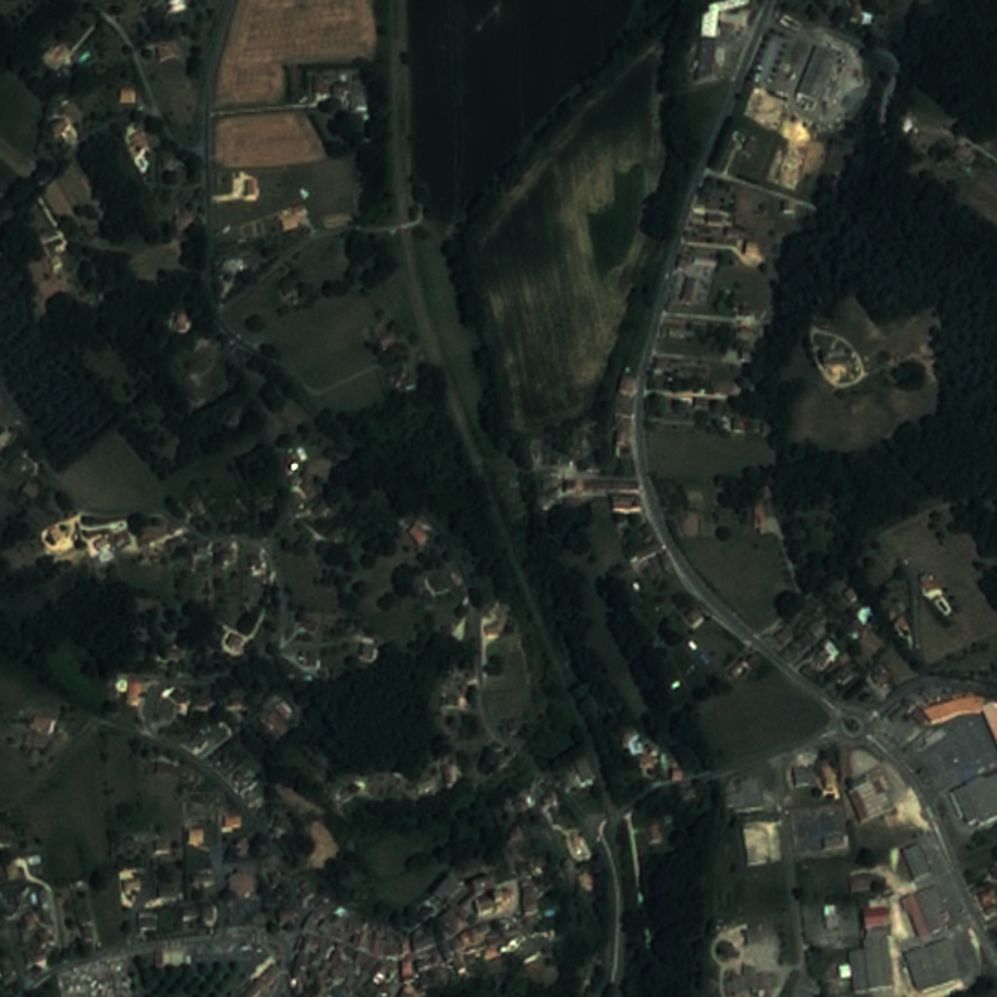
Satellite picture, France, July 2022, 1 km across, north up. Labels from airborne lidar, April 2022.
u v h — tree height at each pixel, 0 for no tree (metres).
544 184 0
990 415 21
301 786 19
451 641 21
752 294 0
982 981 11
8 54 16
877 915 0
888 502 21
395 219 0
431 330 0
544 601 11
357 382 0
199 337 16
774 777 0
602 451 7
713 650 0
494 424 19
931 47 14
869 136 14
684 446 0
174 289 20
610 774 20
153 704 0
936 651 0
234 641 0
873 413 0
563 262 0
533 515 13
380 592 0
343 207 0
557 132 13
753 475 14
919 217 22
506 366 0
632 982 9
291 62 0
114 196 16
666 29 12
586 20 0
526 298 0
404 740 15
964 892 0
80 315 21
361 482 19
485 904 0
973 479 21
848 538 11
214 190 0
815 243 24
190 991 15
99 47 7
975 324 22
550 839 0
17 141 0
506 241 0
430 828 9
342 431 14
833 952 0
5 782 0
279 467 9
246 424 17
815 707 0
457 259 20
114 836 8
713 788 12
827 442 0
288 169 0
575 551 11
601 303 0
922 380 15
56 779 0
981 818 0
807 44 0
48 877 0
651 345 0
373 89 17
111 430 14
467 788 16
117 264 14
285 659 0
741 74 0
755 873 0
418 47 0
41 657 21
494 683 0
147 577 0
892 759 0
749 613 0
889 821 0
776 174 0
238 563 0
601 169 0
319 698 17
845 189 19
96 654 17
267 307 0
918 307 21
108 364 0
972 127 13
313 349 0
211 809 0
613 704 20
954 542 0
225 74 0
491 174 0
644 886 11
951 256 19
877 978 0
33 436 0
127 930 11
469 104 0
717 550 0
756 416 15
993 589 15
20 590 8
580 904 6
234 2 0
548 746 0
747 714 0
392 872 0
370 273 14
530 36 0
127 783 0
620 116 0
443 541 11
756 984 0
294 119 0
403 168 0
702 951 16
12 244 19
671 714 10
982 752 0
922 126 0
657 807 13
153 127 17
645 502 0
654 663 29
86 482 0
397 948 0
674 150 23
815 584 13
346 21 0
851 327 0
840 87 0
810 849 0
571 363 0
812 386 0
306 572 0
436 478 10
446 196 0
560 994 10
